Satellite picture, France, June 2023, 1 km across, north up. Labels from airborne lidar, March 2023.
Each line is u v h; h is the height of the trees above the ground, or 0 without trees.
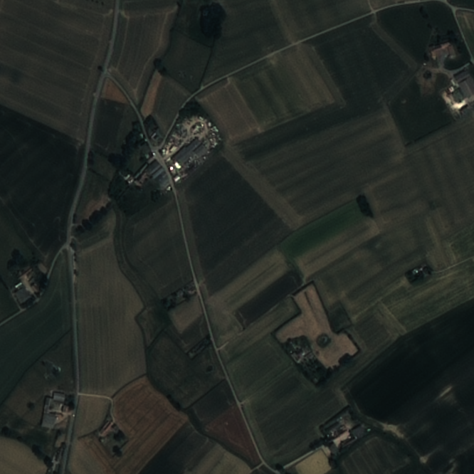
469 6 0
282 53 0
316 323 0
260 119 0
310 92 0
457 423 0
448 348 0
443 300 0
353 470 0
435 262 0
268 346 0
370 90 0
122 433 8
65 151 0
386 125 0
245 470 0
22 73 0
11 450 0
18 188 0
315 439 0
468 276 0
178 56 0
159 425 0
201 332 0
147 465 0
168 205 0
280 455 0
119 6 0
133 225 0
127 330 0
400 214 0
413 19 0
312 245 0
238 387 0
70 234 0
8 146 0
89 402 0
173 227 0
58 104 0
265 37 0
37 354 0
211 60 0
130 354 0
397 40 0
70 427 0
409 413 0
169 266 0
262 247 0
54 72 0
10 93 0
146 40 0
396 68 0
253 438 0
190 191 0
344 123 0
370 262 0
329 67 0
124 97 0
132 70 0
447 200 0
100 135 0
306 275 0
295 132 0
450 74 0
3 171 0
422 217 0
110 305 0
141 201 0
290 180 0
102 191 0
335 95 0
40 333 0
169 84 0
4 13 0
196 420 0
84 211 0
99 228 0
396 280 0
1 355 0
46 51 0
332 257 0
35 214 0
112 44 0
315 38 0
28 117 0
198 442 0
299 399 0
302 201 0
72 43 0
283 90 0
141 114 0
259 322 0
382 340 0
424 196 0
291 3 0
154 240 0
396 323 0
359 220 0
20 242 0
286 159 0
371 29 0
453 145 0
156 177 0
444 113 0
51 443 0
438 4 0
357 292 0
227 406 0
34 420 0
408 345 0
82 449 0
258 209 0
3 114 0
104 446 0
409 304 0
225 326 0
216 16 24
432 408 0
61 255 0
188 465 0
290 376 0
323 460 0
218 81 0
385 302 0
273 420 0
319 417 0
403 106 0
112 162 23
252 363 0
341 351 0
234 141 0
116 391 0
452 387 0
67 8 0
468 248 0
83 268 0
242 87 0
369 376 0
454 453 0
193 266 0
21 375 0
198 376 0
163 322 0
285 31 0
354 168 0
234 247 0
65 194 0
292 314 0
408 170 0
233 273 0
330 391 0
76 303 0
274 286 0
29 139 0
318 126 0
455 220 0
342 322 0
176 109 0
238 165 0
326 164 0
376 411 0
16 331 0
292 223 0
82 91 0
